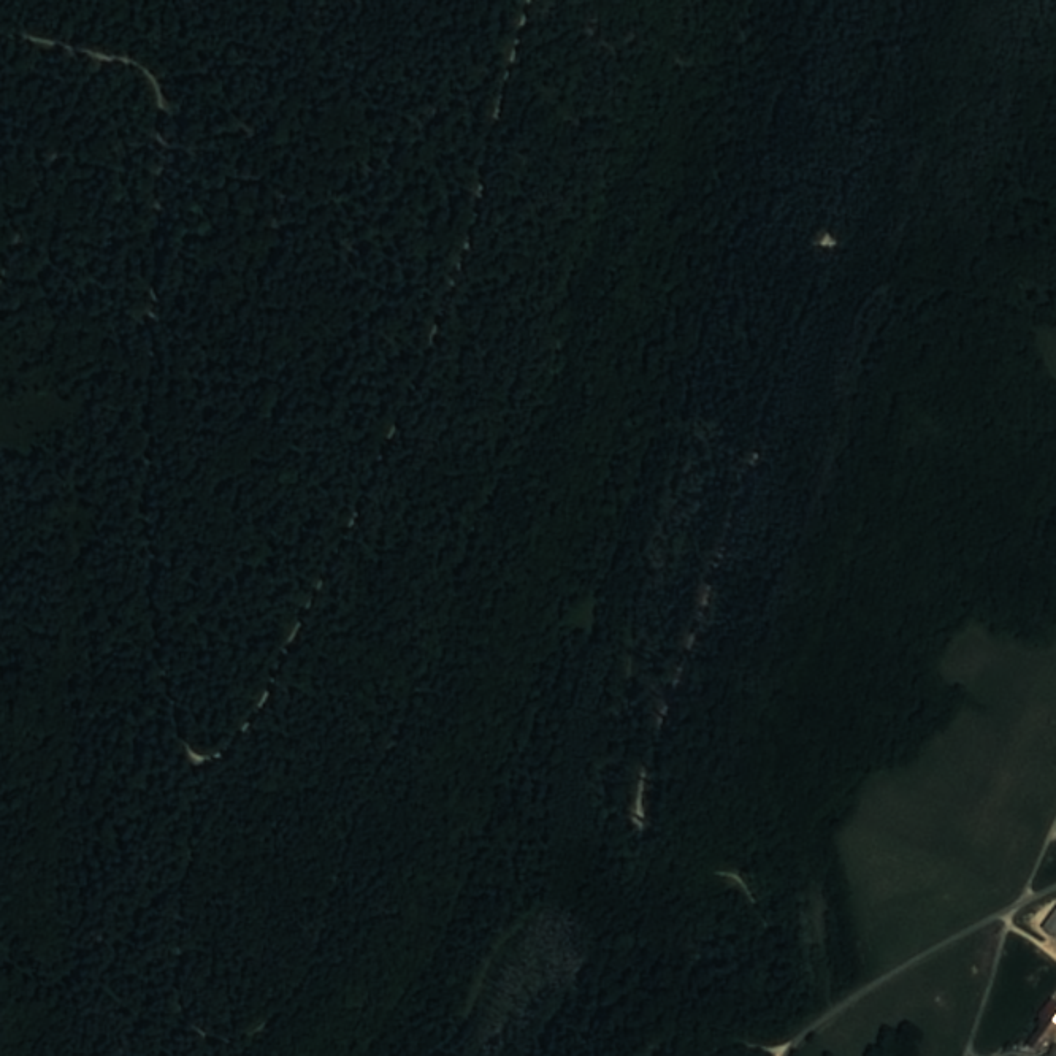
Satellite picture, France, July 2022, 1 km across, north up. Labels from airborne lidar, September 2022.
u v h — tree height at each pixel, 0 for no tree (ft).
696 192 75
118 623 87
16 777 67
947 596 37
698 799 62
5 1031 65
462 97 110
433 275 91
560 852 47
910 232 40
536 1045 57
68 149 82
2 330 28
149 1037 81
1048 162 68
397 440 29
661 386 88
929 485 23
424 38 75
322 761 82
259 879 65
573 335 43
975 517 31
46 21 84
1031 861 0
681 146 72
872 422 62
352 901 84
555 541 71
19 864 62
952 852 0
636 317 60
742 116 74
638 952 68
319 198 115
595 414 85
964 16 56
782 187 71
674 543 67
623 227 33
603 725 72
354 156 109
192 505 101
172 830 39
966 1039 0
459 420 55
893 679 29
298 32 100
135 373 104
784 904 50
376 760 64
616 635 67
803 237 95
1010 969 0
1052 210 65
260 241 96
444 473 26
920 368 54
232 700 77
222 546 105
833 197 82
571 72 60
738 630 67
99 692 68
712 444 37
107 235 109
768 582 48
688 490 43
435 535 77
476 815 64
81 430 51
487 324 61
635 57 46
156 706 106
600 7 64
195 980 93
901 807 0
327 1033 66
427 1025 75
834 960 27
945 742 0
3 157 114
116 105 77
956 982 0
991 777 0
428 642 45
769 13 64
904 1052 49
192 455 74
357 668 59
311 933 51
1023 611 57
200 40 95
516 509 59
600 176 78
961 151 51
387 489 82
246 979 68
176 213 108
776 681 92
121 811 71
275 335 105
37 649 98
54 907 73
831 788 31
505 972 85
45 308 95
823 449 66
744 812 62
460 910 53
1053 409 47
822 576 72
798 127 78
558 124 51
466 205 79
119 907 104
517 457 57
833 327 80
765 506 88
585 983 60
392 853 53
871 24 97
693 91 77
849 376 72
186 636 84
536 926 90
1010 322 73
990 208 62
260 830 85
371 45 111
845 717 28
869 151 77
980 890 0
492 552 88
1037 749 0
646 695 86
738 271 92
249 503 87
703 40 68
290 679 22
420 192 90
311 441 100
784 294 80
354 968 61
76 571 69
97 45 62
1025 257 70
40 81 78
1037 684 0
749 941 63
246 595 97
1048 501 24
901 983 0
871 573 38
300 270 121
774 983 82
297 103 100
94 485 80
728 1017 97
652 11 57
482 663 48
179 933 73
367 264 88
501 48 18
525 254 76
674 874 56
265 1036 22
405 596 39
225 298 95
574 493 71
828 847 31
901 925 0
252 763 44
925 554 29
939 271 27
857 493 68
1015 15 64
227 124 94
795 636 64
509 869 69
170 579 110
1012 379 42
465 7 102
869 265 65
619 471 87
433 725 68
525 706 70
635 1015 68
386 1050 72
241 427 86
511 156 67
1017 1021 0
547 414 57
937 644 60
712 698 91
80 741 94
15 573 108
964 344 58
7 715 47
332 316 99
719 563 46
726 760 79
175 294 52
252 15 84
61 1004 89
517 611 72
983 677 0
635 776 47
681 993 75
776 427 89
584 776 67
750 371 91
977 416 37
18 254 69
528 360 72
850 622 35
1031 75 56
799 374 75
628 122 70
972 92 50
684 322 73
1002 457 25
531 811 60
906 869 0
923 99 57
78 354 55
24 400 20
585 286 43
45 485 105
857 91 69
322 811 45
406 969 73
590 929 68
